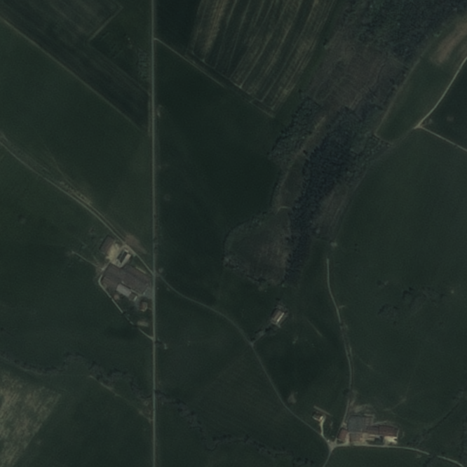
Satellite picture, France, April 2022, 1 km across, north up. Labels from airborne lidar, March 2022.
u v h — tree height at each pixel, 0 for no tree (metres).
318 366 0
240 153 0
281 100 0
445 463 0
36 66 0
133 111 0
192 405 0
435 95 0
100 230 0
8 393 0
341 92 0
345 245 0
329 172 26
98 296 0
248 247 0
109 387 14
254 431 0
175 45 0
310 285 0
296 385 0
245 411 0
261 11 0
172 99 0
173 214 0
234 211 0
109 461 0
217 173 0
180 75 0
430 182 0
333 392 0
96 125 0
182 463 0
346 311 0
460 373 0
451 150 0
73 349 0
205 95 0
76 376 0
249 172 0
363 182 0
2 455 0
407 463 0
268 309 0
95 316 0
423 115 0
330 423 0
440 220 0
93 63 0
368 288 0
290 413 0
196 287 0
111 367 0
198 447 0
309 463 18
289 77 0
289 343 0
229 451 0
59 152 0
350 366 0
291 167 21
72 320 0
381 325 0
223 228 0
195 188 0
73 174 0
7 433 0
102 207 0
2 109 0
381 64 0
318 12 0
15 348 0
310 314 0
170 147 0
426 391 0
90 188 0
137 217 0
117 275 0
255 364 0
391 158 0
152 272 0
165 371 0
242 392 0
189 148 0
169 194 0
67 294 0
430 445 0
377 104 0
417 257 0
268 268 0
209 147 0
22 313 0
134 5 0
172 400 22
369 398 0
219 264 0
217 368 0
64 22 0
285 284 14
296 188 0
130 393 0
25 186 0
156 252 11
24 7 0
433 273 0
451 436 0
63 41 0
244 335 0
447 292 0
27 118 0
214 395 0
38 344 0
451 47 0
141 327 0
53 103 0
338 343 0
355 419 0
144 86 0
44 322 0
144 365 0
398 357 0
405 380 0
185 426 0
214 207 0
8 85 0
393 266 0
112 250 0
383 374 0
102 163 0
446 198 0
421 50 18
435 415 0
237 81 0
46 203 0
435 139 0
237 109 0
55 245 0
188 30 0
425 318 0
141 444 0
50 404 0
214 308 0
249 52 0
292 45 0
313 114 23
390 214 0
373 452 0
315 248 0
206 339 0
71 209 0
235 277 0
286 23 0
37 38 0
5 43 0
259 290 0
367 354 0
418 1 20
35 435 0
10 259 0
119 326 0
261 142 0
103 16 0
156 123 0
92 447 0
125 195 0
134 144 0
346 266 0
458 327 0
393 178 0
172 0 0
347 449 0
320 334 0
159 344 13
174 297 0
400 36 23
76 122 0
